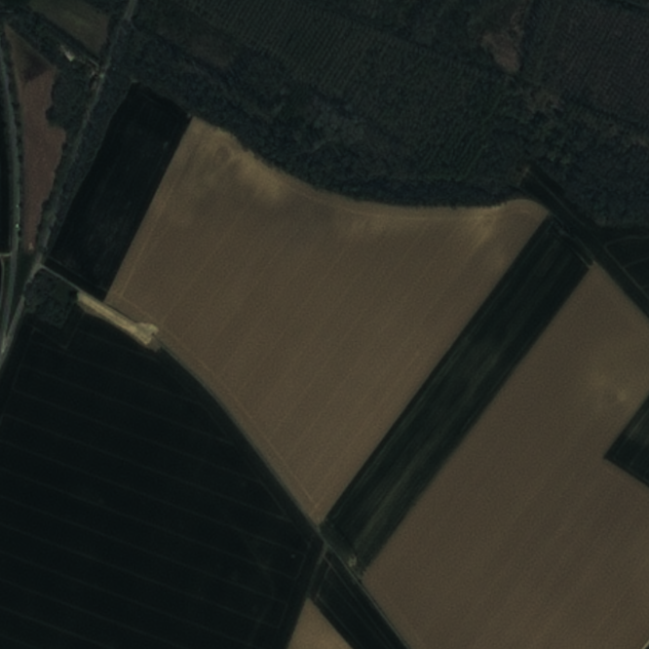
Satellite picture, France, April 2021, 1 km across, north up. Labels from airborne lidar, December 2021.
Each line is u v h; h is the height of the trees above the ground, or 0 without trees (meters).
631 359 0
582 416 0
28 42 7
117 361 0
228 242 0
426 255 0
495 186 19
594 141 17
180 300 0
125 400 0
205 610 0
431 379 0
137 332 0
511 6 7
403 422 0
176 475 0
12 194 0
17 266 0
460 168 30
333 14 28
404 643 0
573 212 0
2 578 0
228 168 0
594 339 0
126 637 0
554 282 0
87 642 0
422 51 30
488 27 8
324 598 0
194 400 0
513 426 0
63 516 0
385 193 18
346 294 0
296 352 0
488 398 0
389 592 0
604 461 0
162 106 0
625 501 0
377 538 0
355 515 0
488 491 0
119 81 18
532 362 0
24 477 0
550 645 0
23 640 0
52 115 16
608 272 0
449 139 29
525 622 0
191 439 0
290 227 0
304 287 0
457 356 0
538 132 22
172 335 0
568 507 0
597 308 0
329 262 0
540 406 0
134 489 0
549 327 0
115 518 0
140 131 0
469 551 0
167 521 0
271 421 0
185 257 0
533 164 0
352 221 0
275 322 0
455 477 0
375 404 0
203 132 0
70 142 14
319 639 0
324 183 16
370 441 0
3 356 0
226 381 0
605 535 0
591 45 21
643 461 0
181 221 0
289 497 0
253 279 0
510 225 0
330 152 27
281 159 8
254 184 0
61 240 0
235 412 0
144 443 0
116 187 0
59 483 0
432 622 0
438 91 27
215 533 0
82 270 0
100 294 0
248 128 24
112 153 0
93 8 11
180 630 0
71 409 0
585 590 0
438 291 0
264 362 0
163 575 0
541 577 0
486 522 0
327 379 0
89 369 0
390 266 0
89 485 0
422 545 0
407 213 0
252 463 0
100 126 12
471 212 0
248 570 0
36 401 0
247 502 0
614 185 18
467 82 28
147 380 0
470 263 0
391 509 0
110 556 0
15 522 0
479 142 28
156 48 25
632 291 0
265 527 0
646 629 0
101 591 0
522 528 0
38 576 0
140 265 0
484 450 0
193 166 0
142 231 0
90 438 0
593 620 0
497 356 0
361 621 0
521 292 0
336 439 0
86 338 0
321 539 0
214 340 0
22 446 0
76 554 0
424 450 0
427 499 0
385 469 0
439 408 0
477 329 0
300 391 0
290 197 0
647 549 0
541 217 0
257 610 0
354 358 0
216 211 0
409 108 30
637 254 0
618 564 0
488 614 0
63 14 0
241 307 0
